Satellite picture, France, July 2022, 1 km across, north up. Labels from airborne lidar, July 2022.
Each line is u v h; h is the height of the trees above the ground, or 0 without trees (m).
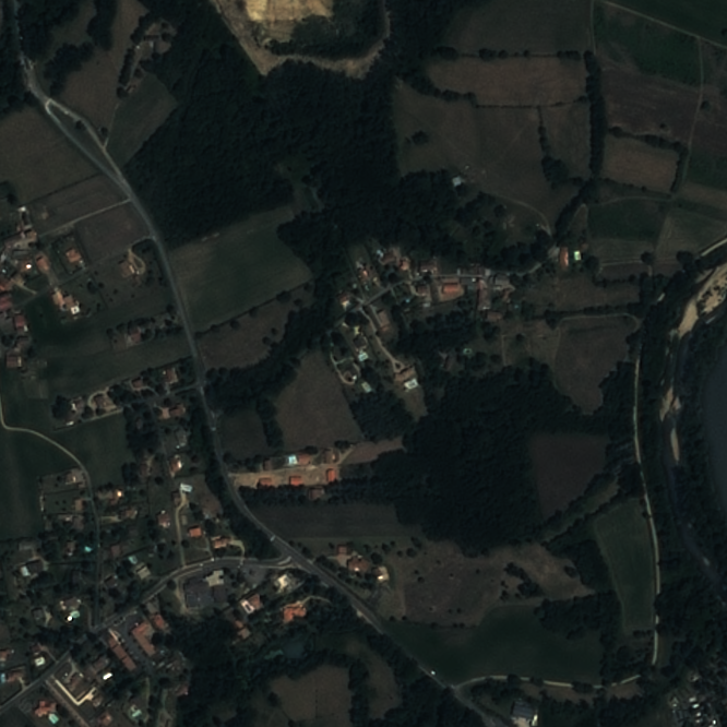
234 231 0
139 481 17
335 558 0
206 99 10
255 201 16
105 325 0
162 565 0
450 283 0
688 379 15
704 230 0
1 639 0
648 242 0
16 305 0
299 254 6
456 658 0
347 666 16
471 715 17
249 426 0
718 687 8
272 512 0
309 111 29
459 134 0
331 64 0
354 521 0
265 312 0
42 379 0
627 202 0
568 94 0
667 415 0
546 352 0
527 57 9
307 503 14
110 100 0
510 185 0
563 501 0
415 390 0
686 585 16
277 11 0
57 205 0
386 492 17
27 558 0
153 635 0
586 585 17
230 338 0
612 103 0
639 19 0
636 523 0
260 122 27
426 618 0
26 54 20
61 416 16
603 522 0
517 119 0
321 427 0
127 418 11
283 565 0
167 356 0
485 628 0
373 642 16
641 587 0
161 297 0
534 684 13
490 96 0
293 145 18
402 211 25
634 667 10
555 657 0
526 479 10
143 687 6
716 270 0
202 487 0
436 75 0
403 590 0
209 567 0
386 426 24
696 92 0
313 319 15
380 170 24
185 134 12
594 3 0
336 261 9
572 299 0
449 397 12
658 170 0
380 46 0
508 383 16
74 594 13
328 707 0
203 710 22
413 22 25
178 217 10
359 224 25
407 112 0
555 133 0
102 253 0
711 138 0
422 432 20
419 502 16
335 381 0
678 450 0
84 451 0
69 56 27
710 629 16
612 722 21
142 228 0
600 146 14
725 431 0
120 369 0
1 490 0
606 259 0
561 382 0
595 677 0
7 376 0
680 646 10
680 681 19
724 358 0
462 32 0
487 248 6
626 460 20
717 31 0
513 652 0
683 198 0
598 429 8
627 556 0
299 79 23
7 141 0
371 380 21
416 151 0
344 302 0
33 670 9
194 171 12
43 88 0
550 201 0
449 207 15
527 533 10
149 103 0
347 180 22
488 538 19
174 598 0
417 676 0
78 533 9
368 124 34
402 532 0
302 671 19
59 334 0
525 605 0
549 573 0
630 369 15
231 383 15
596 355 0
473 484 19
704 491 17
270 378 13
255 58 0
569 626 9
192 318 0
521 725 0
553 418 8
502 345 0
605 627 20
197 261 0
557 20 0
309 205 0
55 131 0
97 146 0
